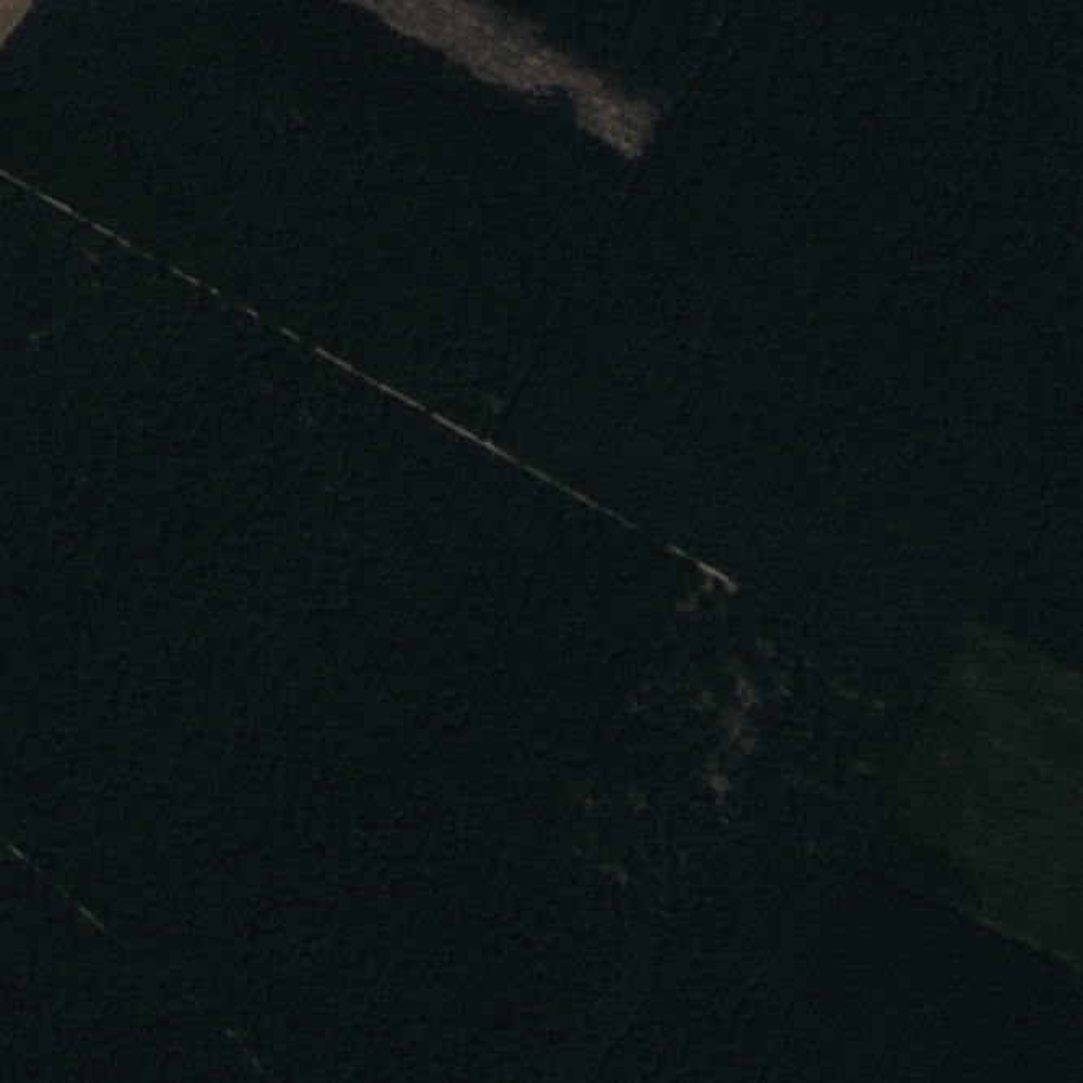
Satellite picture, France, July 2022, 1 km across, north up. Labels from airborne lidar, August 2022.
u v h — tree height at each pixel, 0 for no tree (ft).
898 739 61
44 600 63
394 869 79
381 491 64
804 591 63
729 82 67
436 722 82
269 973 76
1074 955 0
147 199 58
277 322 67
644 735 90
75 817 75
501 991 80
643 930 92
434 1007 82
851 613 68
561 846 73
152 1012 75
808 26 79
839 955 65
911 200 63
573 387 65
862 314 69
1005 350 74
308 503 61
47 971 66
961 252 79
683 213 81
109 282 64
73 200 39
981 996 79
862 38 80
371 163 84
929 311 57
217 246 63
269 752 71
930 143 75
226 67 66
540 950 88
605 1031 73
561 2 70
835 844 52
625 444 58
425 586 62
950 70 67
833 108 77
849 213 90
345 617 68
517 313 82
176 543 61
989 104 73
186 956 69
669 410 62
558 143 84
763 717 81
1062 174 77
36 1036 91
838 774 24
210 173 76
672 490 54
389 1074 86
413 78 61
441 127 84
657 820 84
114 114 70
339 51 70
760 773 83
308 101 75
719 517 67
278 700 69
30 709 52
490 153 77
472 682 71
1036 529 58
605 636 80
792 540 62
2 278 71
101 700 78
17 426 71
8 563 75
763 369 62
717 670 59
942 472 65
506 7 67
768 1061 26
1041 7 70
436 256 73
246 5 76
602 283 66
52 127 41
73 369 50
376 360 60
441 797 82
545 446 53
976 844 0
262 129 78
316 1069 70
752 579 57
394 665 91
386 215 64
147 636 55
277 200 67
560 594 75
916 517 54
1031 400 68
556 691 79
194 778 75
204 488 66
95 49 71
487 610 63
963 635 63
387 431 63
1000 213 72
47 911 38
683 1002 87
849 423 64
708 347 54
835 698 77
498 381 56
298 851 88
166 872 71
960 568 65
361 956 70
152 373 47
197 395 68
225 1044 84
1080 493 46
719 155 85
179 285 61
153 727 71
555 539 72
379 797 92
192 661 56
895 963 61
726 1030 58
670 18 66
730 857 92
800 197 67
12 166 40
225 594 64
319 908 74
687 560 50
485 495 52
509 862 29
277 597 62
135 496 77
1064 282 67
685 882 100
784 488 51
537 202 87
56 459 67
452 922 82
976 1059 90
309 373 62
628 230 73
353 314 64
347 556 59
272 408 60
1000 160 72
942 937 77
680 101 53
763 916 83
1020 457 64
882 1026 64
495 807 89
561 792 79
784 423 63
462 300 75
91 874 77
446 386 51
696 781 88
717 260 76
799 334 55
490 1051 85
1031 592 59
